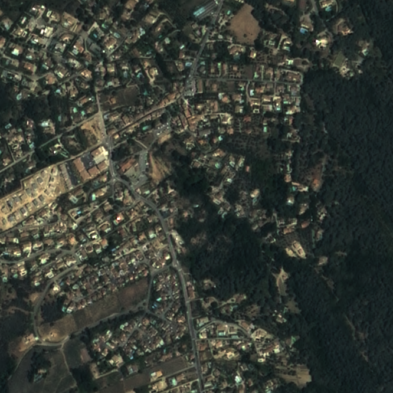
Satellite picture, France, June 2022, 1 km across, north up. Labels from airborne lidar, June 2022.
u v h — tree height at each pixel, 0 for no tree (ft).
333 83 67
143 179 0
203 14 0
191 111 0
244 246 36
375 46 25
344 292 30
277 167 19
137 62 67
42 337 0
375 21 58
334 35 34
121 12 37
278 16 79
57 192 0
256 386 33
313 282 55
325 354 36
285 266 65
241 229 72
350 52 64
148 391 0
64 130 26
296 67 36
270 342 20
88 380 36
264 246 48
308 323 32
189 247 29
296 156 70
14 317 21
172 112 27
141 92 21
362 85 58
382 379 61
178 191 26
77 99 21
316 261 44
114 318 22
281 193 64
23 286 20
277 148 76
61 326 0
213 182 36
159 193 19
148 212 41
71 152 27
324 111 60
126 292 0
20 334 28
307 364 53
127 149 19
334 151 39
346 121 68
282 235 19
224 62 19
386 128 44
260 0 73
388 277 44
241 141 22
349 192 20
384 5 74
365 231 53
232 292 71
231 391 46
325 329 72
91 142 0
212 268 64
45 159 38
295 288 47
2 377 18
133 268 0
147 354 21
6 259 30
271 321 51
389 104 60
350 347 55
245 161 21
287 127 54
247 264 46
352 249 44
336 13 47
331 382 50
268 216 43
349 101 53
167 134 0
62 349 0
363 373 63
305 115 68
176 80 25
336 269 68
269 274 80
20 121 33
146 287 0
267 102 0
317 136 72
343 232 81
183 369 0
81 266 28
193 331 0
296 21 77
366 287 32
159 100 22
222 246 38
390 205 62
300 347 66
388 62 61
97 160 0
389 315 47
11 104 19
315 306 56
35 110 40
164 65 50
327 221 83
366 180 62
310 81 55
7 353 22
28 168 36
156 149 0
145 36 21
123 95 0
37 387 0
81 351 0
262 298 80
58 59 0
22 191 0
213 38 19
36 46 23
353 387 44
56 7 24
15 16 0
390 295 41
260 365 23
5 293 0
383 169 58
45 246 18
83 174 0
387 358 74
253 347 17
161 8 40
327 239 67
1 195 40
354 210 48
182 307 37
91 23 70
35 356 37
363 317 56
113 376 0
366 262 26
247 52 22
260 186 37
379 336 59
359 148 52
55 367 0
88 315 0
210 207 20
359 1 61
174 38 22
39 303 0
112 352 21
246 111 57
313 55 70
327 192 87
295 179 61
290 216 53
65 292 26
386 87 62
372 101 57
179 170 61
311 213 35
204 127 23
